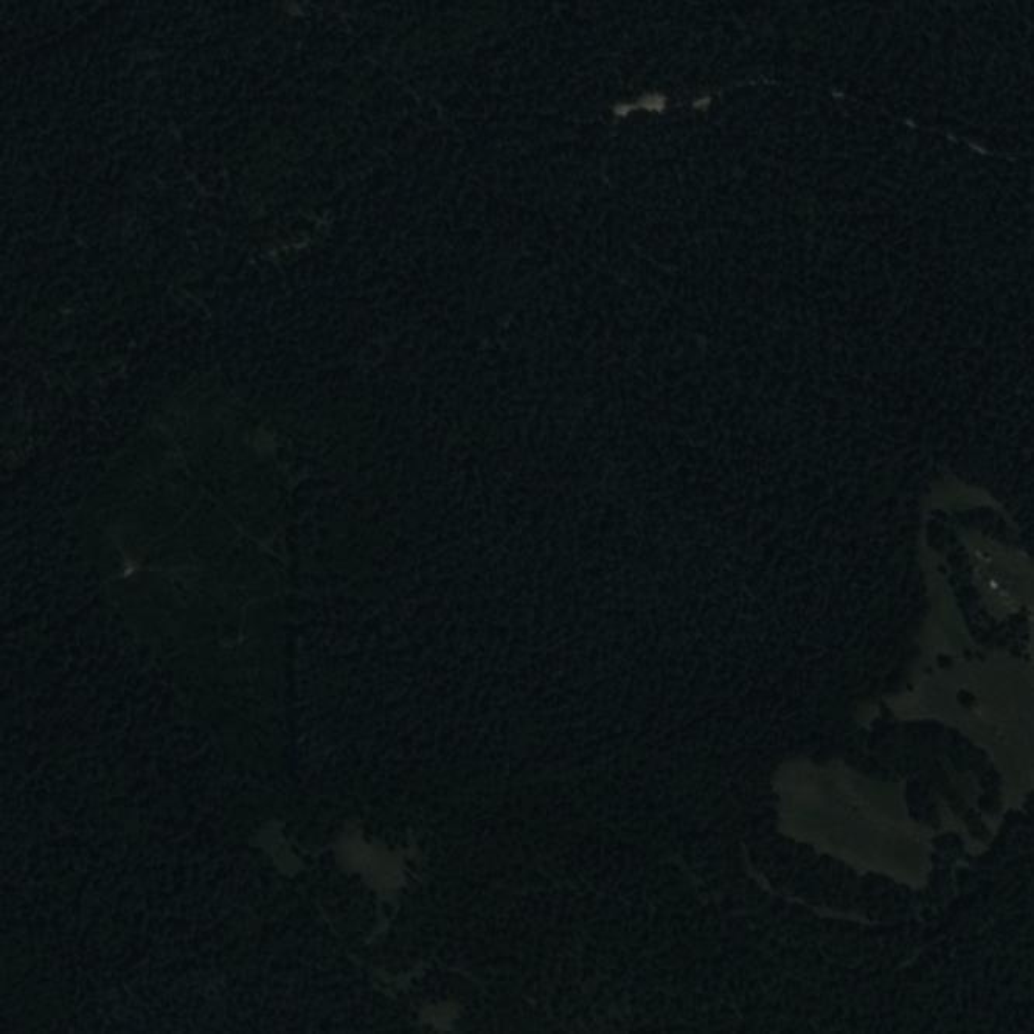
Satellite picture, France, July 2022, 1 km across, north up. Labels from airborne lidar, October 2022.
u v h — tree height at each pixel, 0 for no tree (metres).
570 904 12
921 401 12
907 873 0
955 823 0
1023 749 0
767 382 22
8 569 21
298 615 22
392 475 17
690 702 22
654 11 20
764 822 11
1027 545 7
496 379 17
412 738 25
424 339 19
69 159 21
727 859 18
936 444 16
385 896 0
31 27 20
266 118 13
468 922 12
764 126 24
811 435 11
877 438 25
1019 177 21
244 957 15
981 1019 22
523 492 21
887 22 15
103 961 18
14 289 17
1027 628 13
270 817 7
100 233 22
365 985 11
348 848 0
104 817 19
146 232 20
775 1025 9
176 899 20
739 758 16
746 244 29
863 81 14
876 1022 15
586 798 6
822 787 0
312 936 16
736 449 20
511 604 21
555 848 7
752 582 21
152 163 17
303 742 24
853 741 20
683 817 9
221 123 14
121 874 19
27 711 21
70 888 8
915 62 9
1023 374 17
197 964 23
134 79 20
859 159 12
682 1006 18
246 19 18
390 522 19
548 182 27
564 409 17
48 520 20
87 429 20
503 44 23
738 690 22
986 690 0
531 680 19
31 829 19
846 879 16
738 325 19
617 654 14
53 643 13
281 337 22
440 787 14
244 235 24
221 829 20
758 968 9
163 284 19
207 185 15
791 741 21
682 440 21
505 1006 7
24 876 18
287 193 15
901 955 17
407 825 13
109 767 18
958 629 0
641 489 20
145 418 20
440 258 17
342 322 22
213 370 16
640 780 14
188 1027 21
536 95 16
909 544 18
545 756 20
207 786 17
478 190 11
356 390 17
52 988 16
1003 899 17
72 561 21
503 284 24
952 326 25
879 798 0
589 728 21
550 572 20
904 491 10
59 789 16
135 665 19
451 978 13
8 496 22
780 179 12
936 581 0
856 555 15
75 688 25
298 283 20
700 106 0
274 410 24
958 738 20
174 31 18
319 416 15
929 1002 18
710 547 20
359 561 18
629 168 17
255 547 8
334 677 20
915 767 19
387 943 7
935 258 22
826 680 20
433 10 17
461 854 9
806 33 17
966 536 0
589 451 18
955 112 16
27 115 13
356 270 21
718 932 14
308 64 18
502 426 17
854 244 25
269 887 21
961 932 20
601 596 21
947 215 19
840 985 15
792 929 18
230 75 12
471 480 24
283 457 12
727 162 9
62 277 13
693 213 19
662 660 19
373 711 24
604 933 13
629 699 22
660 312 10
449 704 22
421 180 24
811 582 21
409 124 21
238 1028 12
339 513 16
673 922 10
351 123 16
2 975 16
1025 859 19
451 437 22
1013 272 16
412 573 20
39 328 15
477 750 25
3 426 15
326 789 11
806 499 10
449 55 16
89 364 20
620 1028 12
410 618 22
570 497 11
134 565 0
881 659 19
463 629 19
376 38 14
